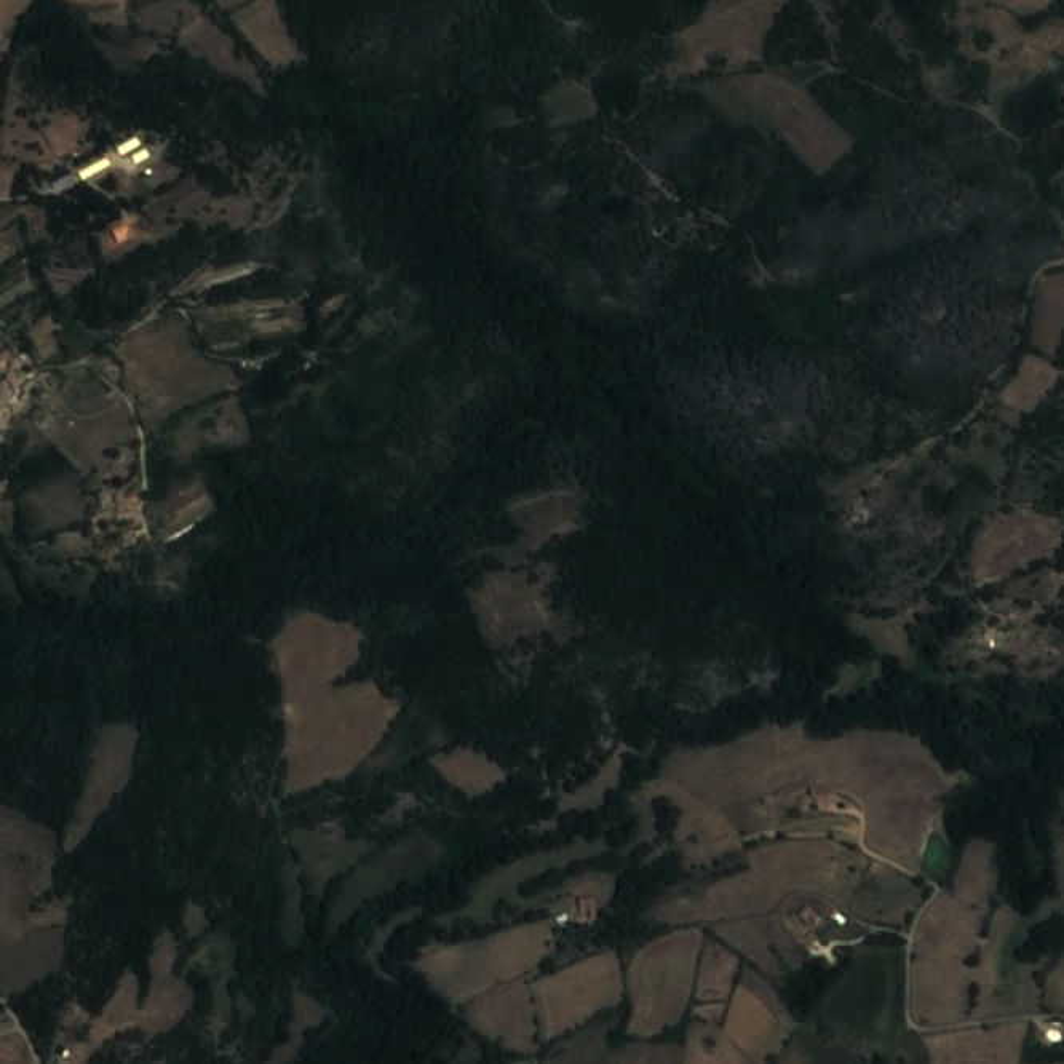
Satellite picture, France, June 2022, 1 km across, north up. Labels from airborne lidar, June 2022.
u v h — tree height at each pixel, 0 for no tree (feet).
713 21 0
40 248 29
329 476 30
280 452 32
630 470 30
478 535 29
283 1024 31
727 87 0
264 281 29
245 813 24
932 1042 0
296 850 36
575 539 31
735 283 35
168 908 43
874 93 28
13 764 35
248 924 50
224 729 40
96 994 25
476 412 49
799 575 100
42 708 34
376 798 24
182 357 0
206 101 28
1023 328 34
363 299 28
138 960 36
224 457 22
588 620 31
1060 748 43
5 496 23
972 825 58
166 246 27
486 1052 32
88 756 37
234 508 47
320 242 19
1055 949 25
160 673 37
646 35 30
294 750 0
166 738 40
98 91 24
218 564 47
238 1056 24
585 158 47
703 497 50
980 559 0
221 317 0
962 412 25
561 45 21
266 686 29
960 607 32
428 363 23
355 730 0
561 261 33
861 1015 0
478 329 43
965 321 31
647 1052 0
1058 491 24
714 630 28
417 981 57
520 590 0
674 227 28
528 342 55
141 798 26
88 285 32
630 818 31
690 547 40
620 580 28
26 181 27
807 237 0
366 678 29
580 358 34
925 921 0
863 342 20
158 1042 27
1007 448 22
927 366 0
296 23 19
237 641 29
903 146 28
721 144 22
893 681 76
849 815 0
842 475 28
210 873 31
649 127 22
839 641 34
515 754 47
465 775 0
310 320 41
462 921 25
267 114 31
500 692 31
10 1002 24
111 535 18
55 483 0
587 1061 0
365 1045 40
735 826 0
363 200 22
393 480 32
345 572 54
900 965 0
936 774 0
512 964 0
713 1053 0
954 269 38
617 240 20
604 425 51
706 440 64
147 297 23
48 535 31
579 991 0
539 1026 23
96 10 0
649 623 42
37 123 27
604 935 29
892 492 0
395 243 25
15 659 52
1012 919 0
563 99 0
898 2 24
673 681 25
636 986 0
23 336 27
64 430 0
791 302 28
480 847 42
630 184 30
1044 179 26
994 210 0
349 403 28
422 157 52
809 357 24
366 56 21
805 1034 0
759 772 0
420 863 0
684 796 0
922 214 30
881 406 18
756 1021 0
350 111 21
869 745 0
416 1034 34
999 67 0
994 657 18
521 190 23
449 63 28
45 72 30
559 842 73
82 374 0
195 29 0
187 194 0
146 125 20
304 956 53
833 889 0
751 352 21
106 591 52
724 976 0
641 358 22
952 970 0
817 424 21
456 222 64
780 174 22
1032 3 0
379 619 27
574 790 53
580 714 44
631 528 28
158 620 45
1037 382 0
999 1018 0
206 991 47
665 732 21
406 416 34
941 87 0
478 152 27
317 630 0
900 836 0
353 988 56
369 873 0
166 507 0
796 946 0
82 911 30
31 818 24
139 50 0
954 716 53
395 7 19
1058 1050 23
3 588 0
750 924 0
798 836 0
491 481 31
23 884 0
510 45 33
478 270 46
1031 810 48
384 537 67
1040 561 28
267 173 22
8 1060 0
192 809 40
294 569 68
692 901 0
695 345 54
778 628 34
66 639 35
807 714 44
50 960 0
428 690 32
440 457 29
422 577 38
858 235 0
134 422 20
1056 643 0
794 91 0
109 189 26
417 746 22
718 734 37
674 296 26
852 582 25
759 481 33
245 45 26
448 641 31
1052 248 0
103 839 31
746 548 69
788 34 19
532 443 59
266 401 31
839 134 0
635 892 19
